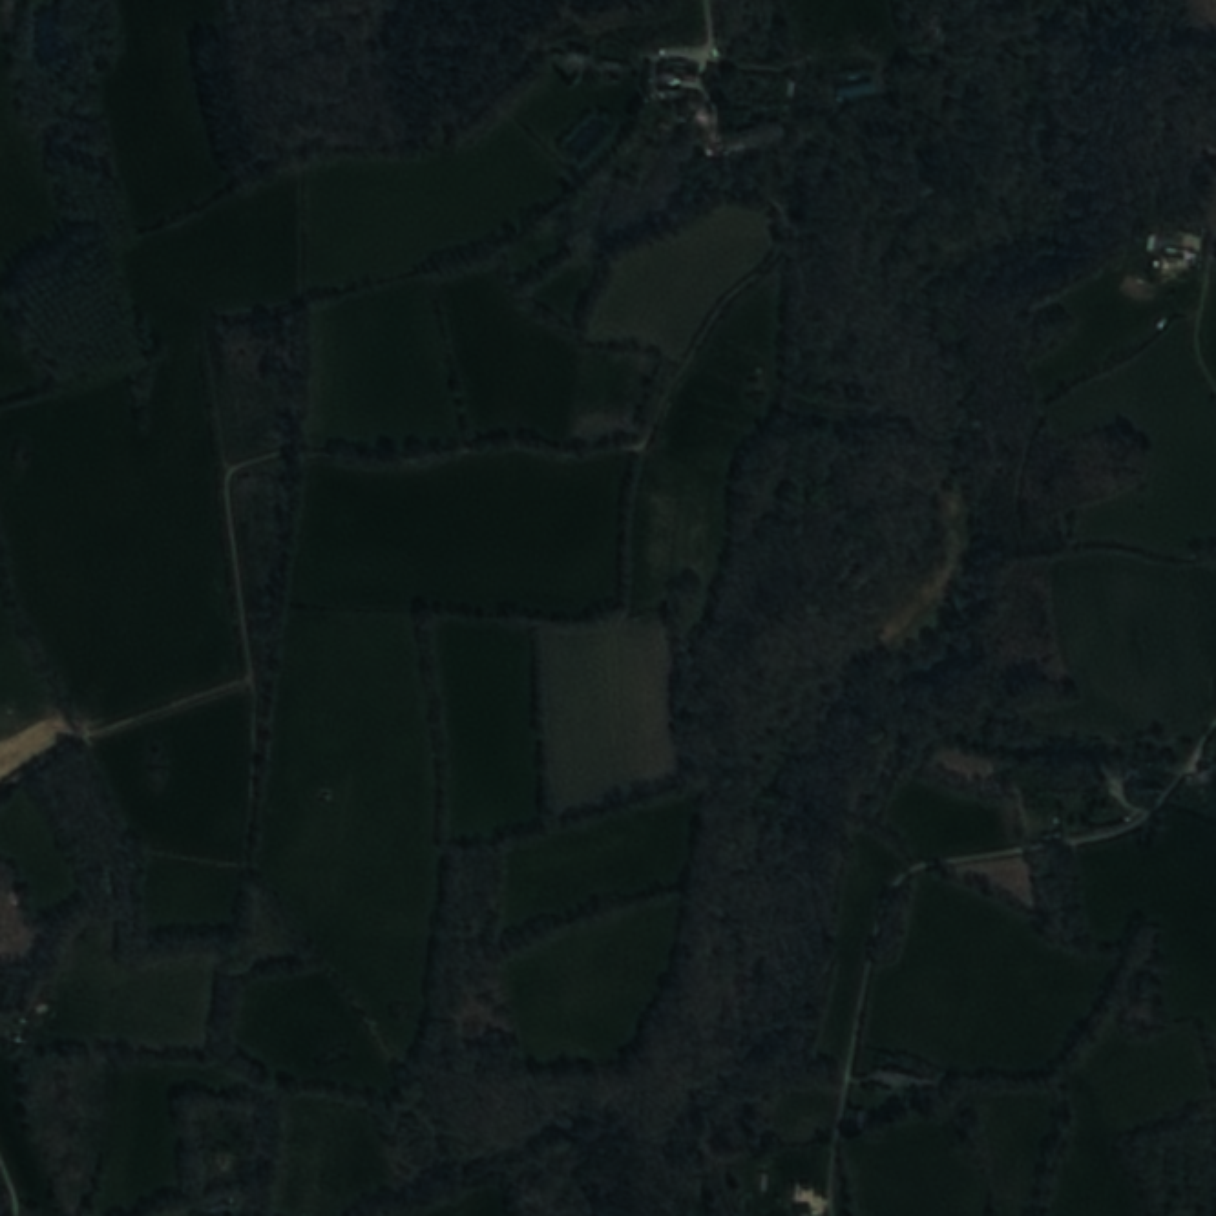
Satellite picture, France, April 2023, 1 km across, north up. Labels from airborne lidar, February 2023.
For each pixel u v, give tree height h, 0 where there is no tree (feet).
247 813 0
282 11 28
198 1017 0
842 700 47
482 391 0
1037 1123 0
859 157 24
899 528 79
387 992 0
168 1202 49
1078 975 0
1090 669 0
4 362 0
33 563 0
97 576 0
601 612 42
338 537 0
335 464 41
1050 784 49
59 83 42
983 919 0
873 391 71
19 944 0
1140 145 55
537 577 0
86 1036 0
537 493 0
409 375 0
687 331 0
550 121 0
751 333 0
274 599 36
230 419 0
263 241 0
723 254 0
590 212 0
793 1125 0
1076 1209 0
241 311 0
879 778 24
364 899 0
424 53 50
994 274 46
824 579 53
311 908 0
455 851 41
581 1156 65
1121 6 23
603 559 0
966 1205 0
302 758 0
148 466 0
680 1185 54
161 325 0
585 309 45
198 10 0
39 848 0
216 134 65
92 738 0
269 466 0
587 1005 0
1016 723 36
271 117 39
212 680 0
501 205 0
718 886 72
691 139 26
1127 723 0
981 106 70
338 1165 0
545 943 50
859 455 68
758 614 48
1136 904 0
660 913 0
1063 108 82
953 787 52
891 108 51
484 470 0
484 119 51
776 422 34
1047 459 24
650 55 0
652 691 0
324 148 57
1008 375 33
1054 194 68
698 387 0
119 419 0
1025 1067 0
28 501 0
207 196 0
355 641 0
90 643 0
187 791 0
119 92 0
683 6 0
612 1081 60
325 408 0
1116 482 31
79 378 102
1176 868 0
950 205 58
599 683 0
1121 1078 0
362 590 0
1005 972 0
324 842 0
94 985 0
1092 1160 0
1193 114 60
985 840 0
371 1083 0
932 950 0
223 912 0
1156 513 0
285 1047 0
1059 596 0
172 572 0
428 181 0
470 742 0
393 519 0
